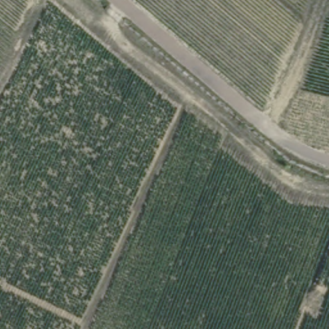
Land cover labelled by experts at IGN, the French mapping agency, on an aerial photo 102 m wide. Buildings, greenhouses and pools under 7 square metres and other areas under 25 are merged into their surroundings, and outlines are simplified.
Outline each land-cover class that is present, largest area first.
<instances>
[{"label":"vineyard","instance_id":"1","mask_svg":"<svg viewBox=\"0 0 329 329\"><path fill-rule=\"evenodd\" d=\"M40 0H0V329H329V207L287 203V200L276 194L269 185L263 184L254 173L240 166L233 157L218 148L220 132L208 129L194 114L181 112V104L162 89L154 91L147 82L123 66L120 60L98 41L87 35L77 24L72 23L71 19L50 1L45 8L36 9L35 6ZM180 40L186 42L195 53L208 60L222 75L229 78L230 86L243 91L245 100L251 102L258 111H265L266 99H278L283 86L287 87L293 95L280 114V129L305 141L308 147L324 149V153L329 154V0H135Z\"/></svg>","mask_w":329,"mask_h":329},{"label":"herbaceous vegetation","instance_id":"2","mask_svg":"<svg viewBox=\"0 0 329 329\"><path fill-rule=\"evenodd\" d=\"M50 1L71 19L72 23L77 24L87 35L98 41L120 60L123 66L147 82L154 91L162 89L181 104V112L194 114L208 129L220 132L218 148L233 157L240 166L254 173L263 184L269 185L276 194L287 200V203L329 207V168L303 161L281 148L253 123L245 120L242 114L236 112L233 105L209 89L189 68L167 53L166 49L136 26L131 19L123 17L125 14L122 10L116 6L111 8L107 0H40L35 6L36 9L45 8Z\"/></svg>","mask_w":329,"mask_h":329},{"label":"impervious surface","instance_id":"3","mask_svg":"<svg viewBox=\"0 0 329 329\"><path fill-rule=\"evenodd\" d=\"M111 8L116 6L122 10L125 14L123 17L131 19L136 26L166 49L167 53L189 68L209 89L233 105L236 112L242 114L245 120L253 123L281 148L303 161L329 168V154L324 153V149L308 147L305 141L280 129V114L293 95L287 87L283 86L278 99H266L265 111H258L251 102L245 100L243 91L230 86L229 78L222 75L208 60L195 53L186 42L180 40L135 0H107Z\"/></svg>","mask_w":329,"mask_h":329}]
</instances>
